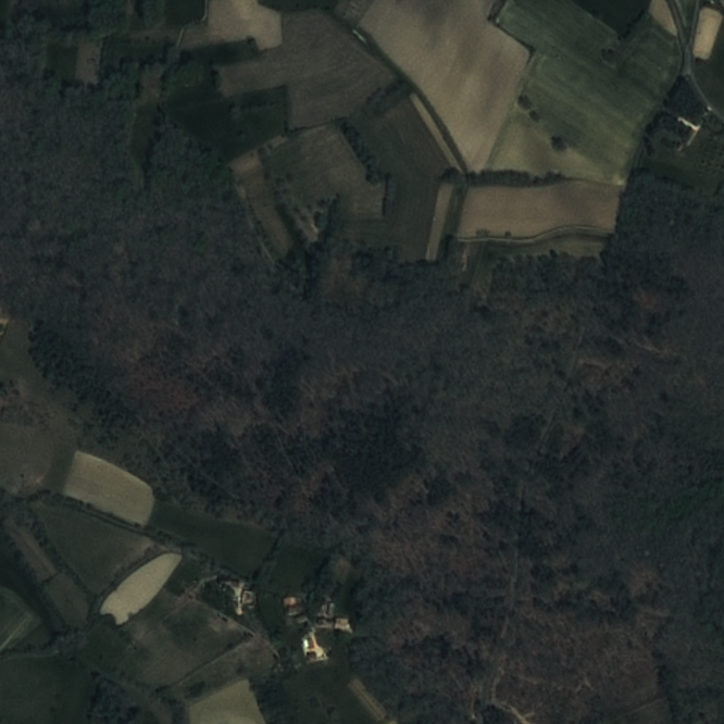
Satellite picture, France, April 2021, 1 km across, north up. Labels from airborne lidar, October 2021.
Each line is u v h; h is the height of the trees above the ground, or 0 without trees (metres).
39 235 14
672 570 25
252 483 17
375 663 18
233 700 0
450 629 0
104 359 13
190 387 8
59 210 20
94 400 10
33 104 21
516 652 17
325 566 11
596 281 15
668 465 15
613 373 15
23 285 20
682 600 20
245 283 19
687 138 12
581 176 0
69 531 0
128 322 16
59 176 20
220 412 18
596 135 0
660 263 18
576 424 16
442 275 20
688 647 24
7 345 0
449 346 19
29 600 0
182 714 14
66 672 0
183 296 23
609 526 18
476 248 0
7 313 16
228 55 0
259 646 0
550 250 0
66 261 18
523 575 9
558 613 17
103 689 18
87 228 21
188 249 16
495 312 19
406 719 21
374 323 16
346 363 16
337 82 0
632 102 0
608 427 18
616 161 0
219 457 23
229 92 0
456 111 0
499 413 19
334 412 6
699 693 20
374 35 0
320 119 0
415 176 0
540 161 0
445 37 0
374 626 25
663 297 20
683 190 16
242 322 17
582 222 0
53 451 0
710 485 19
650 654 20
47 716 0
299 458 21
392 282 21
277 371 19
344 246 13
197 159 22
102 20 23
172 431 16
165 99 11
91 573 0
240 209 18
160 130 21
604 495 17
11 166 22
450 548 27
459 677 13
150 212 17
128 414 12
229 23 0
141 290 17
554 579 25
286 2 0
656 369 17
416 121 0
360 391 15
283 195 10
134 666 0
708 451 16
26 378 0
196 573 0
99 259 18
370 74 0
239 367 25
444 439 22
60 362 7
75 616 0
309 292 13
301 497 6
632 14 0
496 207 0
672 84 0
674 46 0
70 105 25
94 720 10
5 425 11
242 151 0
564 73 0
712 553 18
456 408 20
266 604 0
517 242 0
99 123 25
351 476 23
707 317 17
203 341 17
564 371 17
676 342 20
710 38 0
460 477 15
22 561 17
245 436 9
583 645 12
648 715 0
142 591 0
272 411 19
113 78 25
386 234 0
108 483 0
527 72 0
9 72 17
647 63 0
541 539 14
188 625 0
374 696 16
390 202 8
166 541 12
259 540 0
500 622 7
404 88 8
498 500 12
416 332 21
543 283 11
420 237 0
